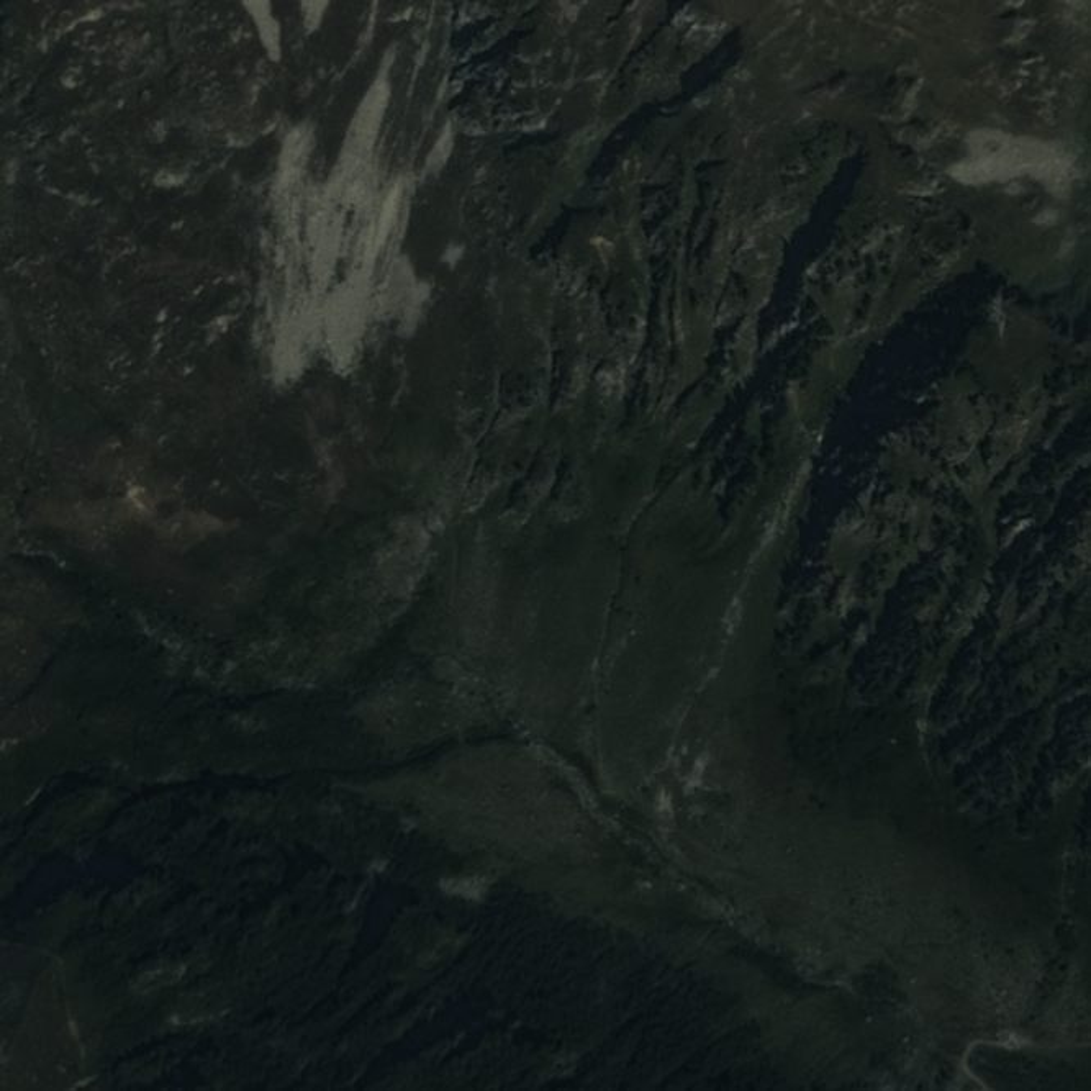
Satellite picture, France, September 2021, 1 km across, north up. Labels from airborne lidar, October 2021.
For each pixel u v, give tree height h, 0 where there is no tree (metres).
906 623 21
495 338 0
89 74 0
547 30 0
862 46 0
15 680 0
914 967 0
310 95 0
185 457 0
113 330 0
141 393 0
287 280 0
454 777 0
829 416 0
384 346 0
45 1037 0
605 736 0
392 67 0
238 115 0
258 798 14
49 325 0
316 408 0
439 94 0
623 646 0
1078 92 0
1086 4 0
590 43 0
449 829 0
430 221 0
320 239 0
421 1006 16
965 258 0
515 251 0
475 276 0
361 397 0
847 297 0
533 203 0
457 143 0
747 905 0
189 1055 8
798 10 0
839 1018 0
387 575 0
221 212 0
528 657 0
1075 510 13
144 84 0
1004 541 7
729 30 0
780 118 0
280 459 0
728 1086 14
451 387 0
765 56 0
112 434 0
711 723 0
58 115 0
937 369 6
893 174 0
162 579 0
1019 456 0
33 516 0
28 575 0
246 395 0
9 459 0
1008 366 0
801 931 0
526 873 0
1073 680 8
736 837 0
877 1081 0
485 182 0
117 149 0
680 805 0
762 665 0
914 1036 0
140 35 0
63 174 0
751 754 0
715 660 0
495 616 0
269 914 17
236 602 0
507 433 0
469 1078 8
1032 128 0
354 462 0
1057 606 10
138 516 0
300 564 0
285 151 0
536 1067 8
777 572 0
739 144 0
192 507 0
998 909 0
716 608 0
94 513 0
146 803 7
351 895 15
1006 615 0
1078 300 0
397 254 0
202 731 8
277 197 0
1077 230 0
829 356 0
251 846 8
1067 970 9
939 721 12
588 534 0
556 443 0
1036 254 0
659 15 0
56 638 0
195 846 7
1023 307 12
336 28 0
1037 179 0
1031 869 0
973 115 0
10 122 0
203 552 0
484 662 0
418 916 7
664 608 0
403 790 0
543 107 0
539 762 0
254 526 0
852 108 0
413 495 0
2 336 0
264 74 0
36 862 6
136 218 0
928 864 0
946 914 0
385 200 0
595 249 0
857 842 0
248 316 0
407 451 0
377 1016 7
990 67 0
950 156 0
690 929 0
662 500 0
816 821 0
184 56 0
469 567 0
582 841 0
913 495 6
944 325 7
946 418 0
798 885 0
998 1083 0
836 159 0
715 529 0
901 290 0
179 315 0
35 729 0
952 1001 0
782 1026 0
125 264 0
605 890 0
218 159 0
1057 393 14
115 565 0
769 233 0
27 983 0
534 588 0
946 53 0
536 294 0
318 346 0
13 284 0
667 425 0
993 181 0
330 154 0
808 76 0
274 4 0
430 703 0
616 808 0
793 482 0
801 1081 0
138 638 7
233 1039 5
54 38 0
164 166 0
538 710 0
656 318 10
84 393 0
